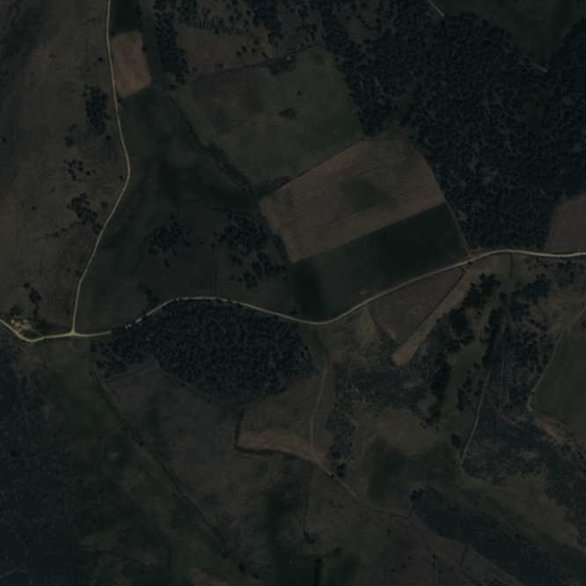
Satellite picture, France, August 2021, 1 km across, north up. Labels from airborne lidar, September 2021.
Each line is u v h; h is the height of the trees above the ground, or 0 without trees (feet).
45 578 0
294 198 0
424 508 0
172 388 0
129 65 0
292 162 0
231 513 0
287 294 0
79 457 0
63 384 0
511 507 0
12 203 0
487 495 0
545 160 45
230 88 0
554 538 0
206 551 0
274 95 0
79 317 0
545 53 0
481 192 44
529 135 28
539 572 0
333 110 0
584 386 0
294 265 0
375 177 0
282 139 0
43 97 0
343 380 0
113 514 0
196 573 0
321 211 0
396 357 0
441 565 0
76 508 0
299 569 0
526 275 0
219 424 0
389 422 0
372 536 0
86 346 0
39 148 0
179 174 0
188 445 0
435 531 0
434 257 0
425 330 0
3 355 0
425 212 0
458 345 36
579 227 0
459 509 0
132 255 0
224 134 0
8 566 0
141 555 0
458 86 52
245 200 0
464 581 0
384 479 0
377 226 0
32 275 0
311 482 0
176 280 0
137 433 0
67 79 0
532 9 0
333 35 48
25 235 0
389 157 0
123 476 0
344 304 0
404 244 0
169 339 43
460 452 0
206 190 0
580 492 0
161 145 0
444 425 0
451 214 0
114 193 0
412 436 0
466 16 30
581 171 61
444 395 27
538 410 0
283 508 0
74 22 0
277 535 0
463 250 0
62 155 0
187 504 0
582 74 54
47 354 0
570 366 0
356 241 0
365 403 0
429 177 0
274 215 0
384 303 0
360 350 0
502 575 0
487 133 38
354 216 0
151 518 0
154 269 0
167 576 0
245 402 0
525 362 35
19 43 0
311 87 0
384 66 58
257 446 0
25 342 0
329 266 0
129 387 0
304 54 0
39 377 0
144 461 0
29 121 0
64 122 0
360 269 0
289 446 0
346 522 0
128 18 0
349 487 0
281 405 0
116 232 0
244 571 39
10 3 0
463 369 0
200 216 0
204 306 40
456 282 0
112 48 0
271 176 0
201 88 0
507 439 0
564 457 0
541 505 0
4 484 0
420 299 0
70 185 0
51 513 0
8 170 0
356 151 0
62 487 0
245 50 38
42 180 0
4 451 0
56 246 0
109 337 0
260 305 0
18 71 0
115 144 0
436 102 34
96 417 0
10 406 0
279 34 30
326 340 0
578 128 44
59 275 0
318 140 0
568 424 0
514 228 39
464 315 29
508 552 0
